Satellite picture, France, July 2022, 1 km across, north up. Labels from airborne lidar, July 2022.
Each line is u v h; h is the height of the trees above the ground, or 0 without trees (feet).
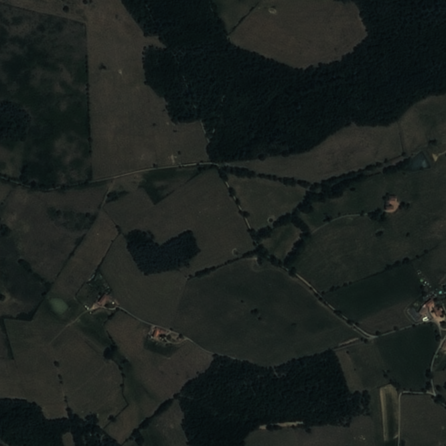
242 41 0
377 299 0
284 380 33
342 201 0
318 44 0
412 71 26
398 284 0
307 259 0
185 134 0
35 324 0
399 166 54
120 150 0
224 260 0
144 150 0
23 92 0
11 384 0
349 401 29
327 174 0
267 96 21
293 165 0
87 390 0
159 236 0
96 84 0
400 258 0
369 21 32
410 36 26
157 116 0
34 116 0
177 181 0
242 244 0
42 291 0
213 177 0
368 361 0
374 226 0
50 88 0
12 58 0
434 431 0
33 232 0
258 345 0
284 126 29
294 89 52
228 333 0
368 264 0
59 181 0
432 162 0
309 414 37
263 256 57
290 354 0
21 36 0
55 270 0
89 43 0
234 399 20
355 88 46
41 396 0
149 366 0
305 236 52
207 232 0
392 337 0
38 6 0
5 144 0
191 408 23
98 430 67
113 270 0
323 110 69
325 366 45
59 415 0
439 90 33
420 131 0
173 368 0
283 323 0
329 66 34
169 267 44
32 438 39
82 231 0
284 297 0
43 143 0
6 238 0
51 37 0
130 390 0
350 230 0
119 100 0
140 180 0
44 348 0
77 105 0
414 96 29
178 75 37
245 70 58
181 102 29
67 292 0
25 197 0
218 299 0
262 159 41
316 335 0
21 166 0
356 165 0
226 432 37
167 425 0
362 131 0
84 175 0
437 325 0
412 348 0
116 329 0
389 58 25
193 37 24
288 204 0
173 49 33
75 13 0
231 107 37
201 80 33
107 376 0
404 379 0
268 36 0
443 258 0
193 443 42
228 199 0
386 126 30
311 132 25
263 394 42
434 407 0
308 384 26
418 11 58
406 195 0
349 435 0
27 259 0
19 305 0
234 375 25
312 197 65
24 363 0
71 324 0
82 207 0
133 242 31
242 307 0
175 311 0
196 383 35
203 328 0
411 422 0
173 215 0
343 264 0
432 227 0
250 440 0
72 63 0
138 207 0
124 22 0
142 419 0
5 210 0
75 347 0
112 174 0
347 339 0
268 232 73
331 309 0
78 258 0
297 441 0
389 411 0
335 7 0
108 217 0
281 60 0
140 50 0
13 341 0
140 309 0
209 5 44
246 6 0
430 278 0
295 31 0
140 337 0
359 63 75
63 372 0
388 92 61
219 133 23
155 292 0
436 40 25
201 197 0
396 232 0
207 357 0
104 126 0
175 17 38
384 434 0
